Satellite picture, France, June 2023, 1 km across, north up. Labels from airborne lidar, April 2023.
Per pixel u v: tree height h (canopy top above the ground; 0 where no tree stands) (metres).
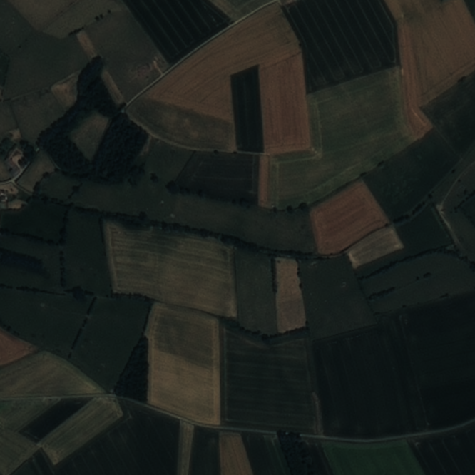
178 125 0
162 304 0
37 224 0
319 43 0
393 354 0
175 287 0
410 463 0
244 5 0
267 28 0
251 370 0
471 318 0
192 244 0
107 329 0
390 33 0
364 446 0
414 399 0
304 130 0
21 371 0
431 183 0
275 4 0
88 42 0
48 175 10
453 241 6
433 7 0
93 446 0
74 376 0
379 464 0
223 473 0
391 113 0
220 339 0
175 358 0
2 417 0
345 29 0
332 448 0
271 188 0
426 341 0
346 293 0
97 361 0
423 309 0
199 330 0
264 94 0
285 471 0
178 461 0
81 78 15
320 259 7
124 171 18
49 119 0
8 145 8
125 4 0
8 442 0
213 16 0
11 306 0
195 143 0
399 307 0
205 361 0
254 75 0
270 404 0
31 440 0
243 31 0
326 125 0
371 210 0
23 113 0
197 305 0
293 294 0
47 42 0
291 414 0
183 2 0
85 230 0
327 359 0
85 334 0
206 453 0
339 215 0
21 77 0
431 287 0
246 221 0
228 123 0
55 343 0
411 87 0
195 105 0
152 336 0
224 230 0
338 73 0
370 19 0
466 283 0
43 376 0
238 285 0
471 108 0
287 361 0
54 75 0
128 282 0
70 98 0
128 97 0
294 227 0
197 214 0
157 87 0
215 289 0
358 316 0
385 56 0
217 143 0
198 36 0
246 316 0
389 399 0
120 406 0
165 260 0
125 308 0
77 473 0
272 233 0
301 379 0
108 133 14
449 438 0
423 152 0
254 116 0
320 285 0
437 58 0
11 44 0
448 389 0
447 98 0
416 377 0
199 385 0
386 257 0
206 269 0
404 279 0
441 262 0
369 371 0
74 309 0
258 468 0
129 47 0
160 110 0
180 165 0
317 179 0
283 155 0
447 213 0
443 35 0
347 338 0
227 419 0
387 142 0
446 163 0
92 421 0
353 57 0
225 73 0
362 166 0
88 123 0
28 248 0
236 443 0
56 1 0
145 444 0
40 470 0
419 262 0
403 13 0
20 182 0
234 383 0
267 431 0
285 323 0
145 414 0
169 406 0
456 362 0
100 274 0
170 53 0
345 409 0
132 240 0
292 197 0
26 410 0
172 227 8
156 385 0
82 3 0
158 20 0
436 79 0
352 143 0
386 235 0
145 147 0
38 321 0
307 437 0
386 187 0
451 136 0
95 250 0
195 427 0
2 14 0
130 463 0
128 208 0
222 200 0
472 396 0
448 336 0
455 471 0
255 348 0
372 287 0
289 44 0
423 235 0
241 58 0
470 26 0
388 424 0
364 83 0
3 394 0
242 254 0
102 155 15
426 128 0
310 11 0
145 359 7
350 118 0
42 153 0
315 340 0
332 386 0
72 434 0
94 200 0
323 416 0
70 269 0
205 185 0
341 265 0
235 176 0
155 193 0
